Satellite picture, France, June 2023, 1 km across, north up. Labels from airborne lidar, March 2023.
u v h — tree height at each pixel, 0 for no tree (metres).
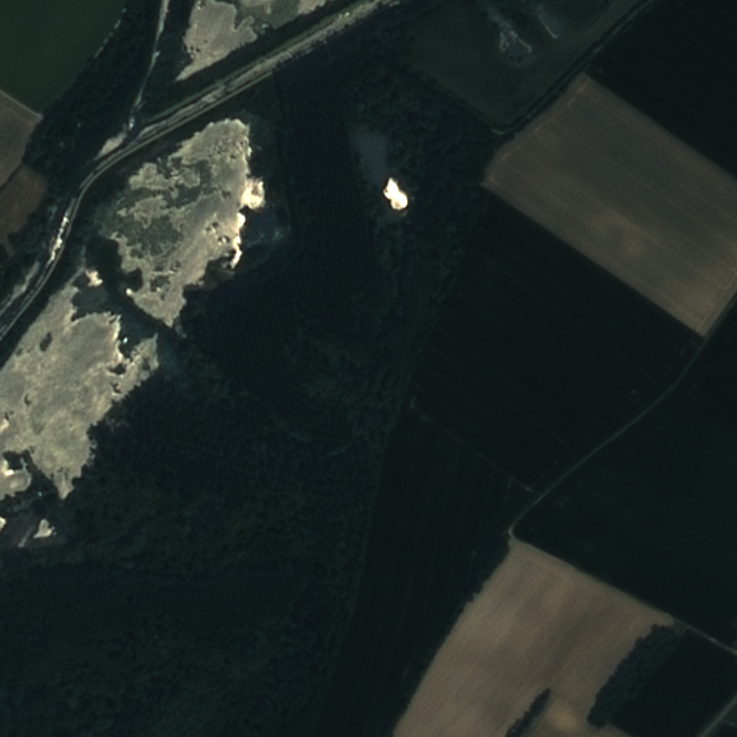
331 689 0
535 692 0
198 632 9
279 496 16
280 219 11
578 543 0
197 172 0
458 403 0
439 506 0
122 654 18
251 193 0
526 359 0
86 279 0
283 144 18
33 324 0
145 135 0
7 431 0
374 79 18
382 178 0
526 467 0
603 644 0
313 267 29
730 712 0
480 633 0
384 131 14
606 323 0
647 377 0
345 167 28
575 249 0
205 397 16
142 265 0
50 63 0
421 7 21
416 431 0
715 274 0
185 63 0
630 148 0
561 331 0
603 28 0
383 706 0
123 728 16
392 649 0
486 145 24
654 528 0
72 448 0
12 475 0
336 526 25
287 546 8
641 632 0
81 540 9
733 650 0
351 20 0
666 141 0
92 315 0
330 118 33
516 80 0
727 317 0
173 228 0
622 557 0
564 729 0
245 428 21
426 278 31
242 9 0
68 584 25
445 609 0
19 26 0
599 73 0
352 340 36
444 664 0
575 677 0
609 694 16
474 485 0
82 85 14
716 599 0
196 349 21
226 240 0
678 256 0
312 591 12
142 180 0
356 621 0
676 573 0
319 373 15
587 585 0
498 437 0
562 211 0
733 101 0
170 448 27
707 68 0
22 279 9
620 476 0
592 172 0
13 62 0
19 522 0
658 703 0
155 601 27
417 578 0
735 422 0
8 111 0
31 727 28
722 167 0
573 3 0
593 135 0
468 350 0
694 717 0
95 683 6
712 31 0
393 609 0
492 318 0
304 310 32
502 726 0
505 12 14
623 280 0
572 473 0
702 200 0
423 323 21
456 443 0
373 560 0
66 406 0
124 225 0
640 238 0
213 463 27
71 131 14
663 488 0
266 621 11
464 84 0
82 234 15
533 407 0
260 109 0
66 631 26
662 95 0
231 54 8
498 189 0
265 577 24
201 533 31
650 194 0
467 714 0
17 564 28
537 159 0
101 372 0
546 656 0
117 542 11
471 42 0
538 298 0
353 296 15
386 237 16
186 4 14
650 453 0
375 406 7
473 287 0
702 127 0
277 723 9
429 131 19
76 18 0
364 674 0
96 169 0
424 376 0
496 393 0
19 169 0
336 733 0
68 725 20
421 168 17
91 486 5
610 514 0
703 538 0
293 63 13
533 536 0
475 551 0
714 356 0
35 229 15
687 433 0
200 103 0
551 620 0
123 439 25
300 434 16
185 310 12
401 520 0
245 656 24
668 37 0
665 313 0
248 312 32
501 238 0
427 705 0
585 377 0
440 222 24
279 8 0
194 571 6
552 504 0
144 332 0
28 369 0
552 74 0
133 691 22
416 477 0
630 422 0
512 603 0
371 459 7
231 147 0
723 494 0
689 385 0
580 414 0
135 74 29
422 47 0
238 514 6
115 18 0
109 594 26
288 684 23
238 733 12
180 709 12
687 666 0
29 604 25
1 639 22
